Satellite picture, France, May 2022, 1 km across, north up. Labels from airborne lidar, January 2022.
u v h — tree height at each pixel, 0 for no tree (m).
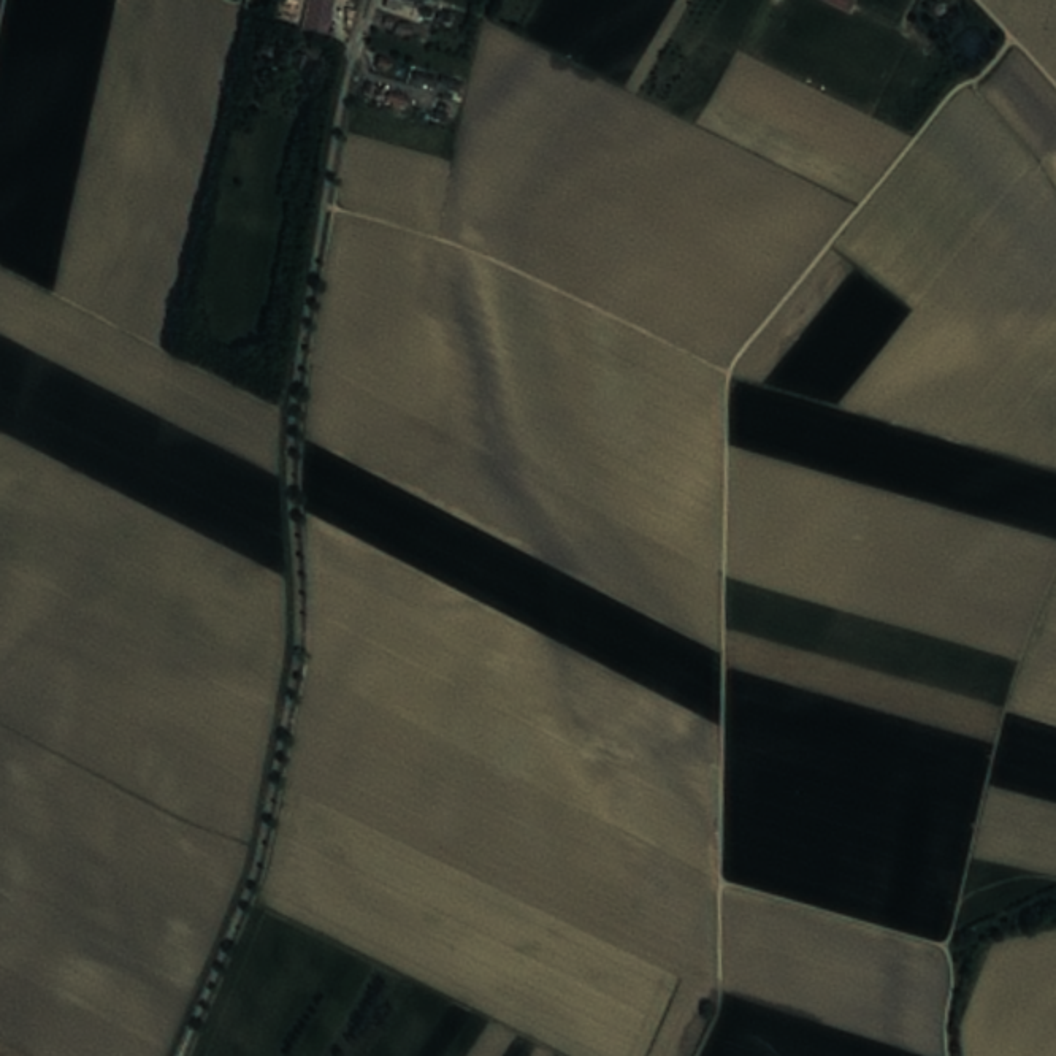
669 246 0
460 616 0
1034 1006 0
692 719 0
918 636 0
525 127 0
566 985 0
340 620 0
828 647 0
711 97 0
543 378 0
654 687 0
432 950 0
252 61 12
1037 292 0
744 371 0
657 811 0
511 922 0
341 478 0
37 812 0
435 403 0
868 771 0
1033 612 0
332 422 0
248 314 0
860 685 0
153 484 0
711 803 0
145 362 0
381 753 0
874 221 0
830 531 0
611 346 0
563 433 0
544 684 0
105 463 0
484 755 0
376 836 0
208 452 0
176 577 0
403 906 0
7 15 0
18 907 0
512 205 0
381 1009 15
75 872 0
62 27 0
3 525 0
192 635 0
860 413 0
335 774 0
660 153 0
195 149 0
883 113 0
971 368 0
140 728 0
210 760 0
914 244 0
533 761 0
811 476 0
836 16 0
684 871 0
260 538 0
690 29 0
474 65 0
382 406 0
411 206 0
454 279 0
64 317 0
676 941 0
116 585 0
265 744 0
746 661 0
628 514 0
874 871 0
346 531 0
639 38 0
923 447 0
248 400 0
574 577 0
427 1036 0
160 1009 0
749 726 0
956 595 0
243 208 0
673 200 0
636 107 0
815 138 0
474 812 0
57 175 0
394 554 0
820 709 0
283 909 0
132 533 0
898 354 0
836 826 0
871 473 0
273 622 0
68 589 0
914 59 0
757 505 0
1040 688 0
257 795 0
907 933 0
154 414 0
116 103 0
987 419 0
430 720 0
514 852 0
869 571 0
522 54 0
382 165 0
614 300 0
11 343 0
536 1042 0
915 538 0
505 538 0
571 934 0
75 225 0
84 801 0
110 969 0
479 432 0
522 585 0
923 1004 0
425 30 0
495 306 0
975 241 0
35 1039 0
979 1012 0
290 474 0
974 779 0
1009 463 0
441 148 0
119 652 0
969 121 0
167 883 0
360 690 0
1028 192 0
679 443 0
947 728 0
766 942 0
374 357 0
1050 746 0
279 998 0
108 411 0
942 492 0
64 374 0
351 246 0
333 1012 0
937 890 0
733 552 0
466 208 0
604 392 0
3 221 0
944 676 0
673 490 0
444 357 0
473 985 0
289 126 0
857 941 0
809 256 0
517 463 0
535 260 0
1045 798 0
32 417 0
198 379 0
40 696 0
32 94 0
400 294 0
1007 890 0
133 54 0
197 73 0
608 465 0
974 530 0
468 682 0
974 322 0
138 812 0
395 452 0
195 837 0
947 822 0
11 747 0
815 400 0
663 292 0
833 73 0
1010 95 0
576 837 0
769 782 0
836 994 0
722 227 0
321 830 0
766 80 0
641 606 0
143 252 0
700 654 0
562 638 0
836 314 0
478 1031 0
